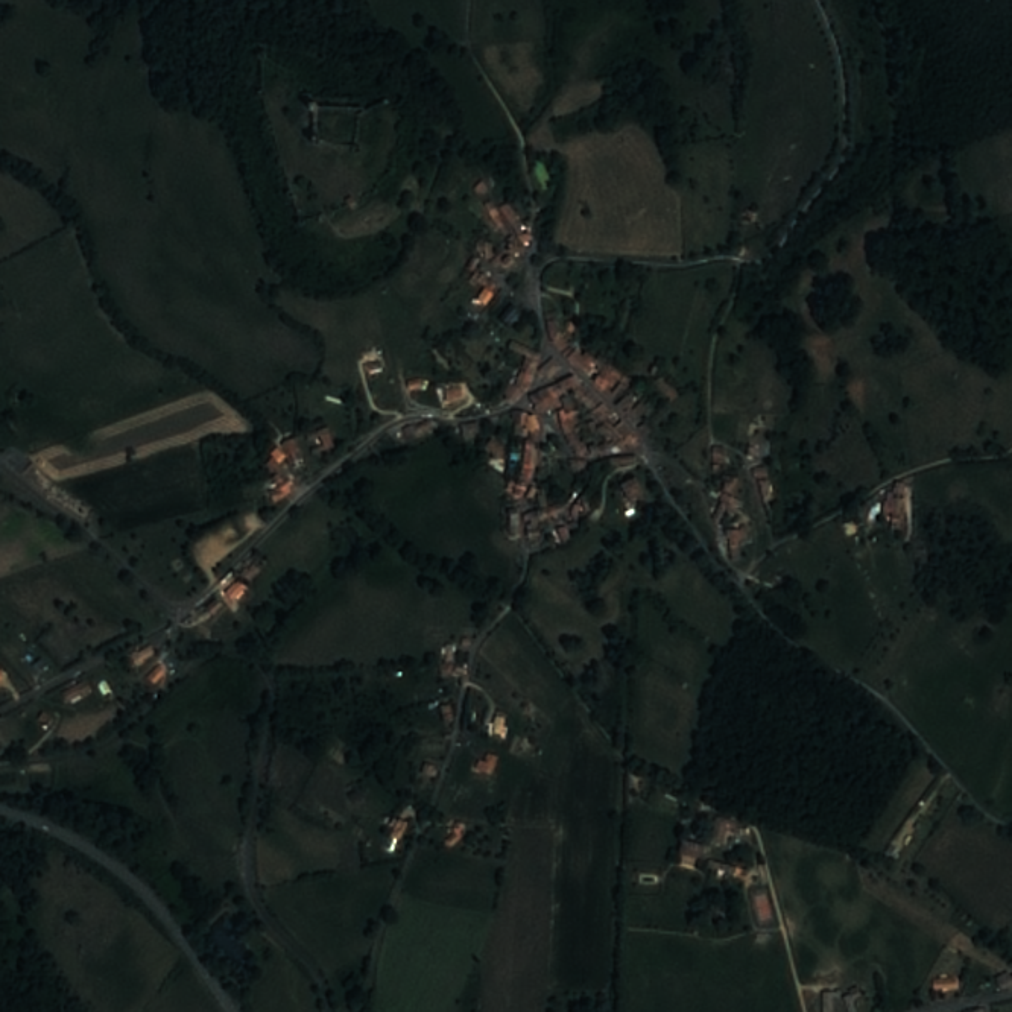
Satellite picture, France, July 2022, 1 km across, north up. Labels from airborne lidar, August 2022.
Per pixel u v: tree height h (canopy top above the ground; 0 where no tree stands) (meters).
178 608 0
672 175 12
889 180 13
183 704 0
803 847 0
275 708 5
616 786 0
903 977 0
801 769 15
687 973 0
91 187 0
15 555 0
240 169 8
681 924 0
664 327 0
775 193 0
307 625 0
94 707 0
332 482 12
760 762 17
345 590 0
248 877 0
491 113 0
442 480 0
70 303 0
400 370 0
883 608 0
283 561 0
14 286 0
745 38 13
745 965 0
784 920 0
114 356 0
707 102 0
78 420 0
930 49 6
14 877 23
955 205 20
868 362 0
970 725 0
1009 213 0
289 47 10
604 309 0
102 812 7
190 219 0
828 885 0
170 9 24
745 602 18
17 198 0
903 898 0
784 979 0
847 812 17
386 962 0
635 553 0
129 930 0
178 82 16
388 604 0
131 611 0
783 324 24
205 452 7
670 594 0
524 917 0
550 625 0
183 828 0
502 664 0
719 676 15
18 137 0
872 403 0
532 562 5
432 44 18
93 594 0
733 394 0
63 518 14
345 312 0
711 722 13
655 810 0
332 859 0
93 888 0
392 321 0
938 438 0
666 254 0
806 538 10
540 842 0
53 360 0
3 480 12
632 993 0
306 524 0
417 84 13
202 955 11
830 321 16
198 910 6
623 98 16
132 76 0
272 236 6
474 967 8
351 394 11
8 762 9
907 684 0
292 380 9
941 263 7
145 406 0
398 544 19
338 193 0
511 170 7
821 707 18
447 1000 0
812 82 0
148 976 0
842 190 16
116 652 10
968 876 0
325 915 0
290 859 0
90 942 0
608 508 0
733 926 10
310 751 16
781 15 0
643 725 0
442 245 0
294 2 21
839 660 0
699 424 7
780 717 21
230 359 0
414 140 6
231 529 0
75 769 0
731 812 12
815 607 9
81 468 0
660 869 0
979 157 0
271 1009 0
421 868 0
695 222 0
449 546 0
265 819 10
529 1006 0
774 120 0
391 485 0
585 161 0
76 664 6
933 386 0
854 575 0
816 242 13
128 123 0
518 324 9
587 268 8
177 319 0
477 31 0
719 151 0
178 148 0
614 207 0
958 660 0
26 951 10
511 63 0
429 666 12
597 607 18
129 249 0
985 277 7
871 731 18
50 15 0
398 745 6
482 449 7
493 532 0
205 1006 0
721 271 0
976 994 0
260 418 7
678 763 0
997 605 11
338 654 0
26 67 0
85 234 7
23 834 11
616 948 7
